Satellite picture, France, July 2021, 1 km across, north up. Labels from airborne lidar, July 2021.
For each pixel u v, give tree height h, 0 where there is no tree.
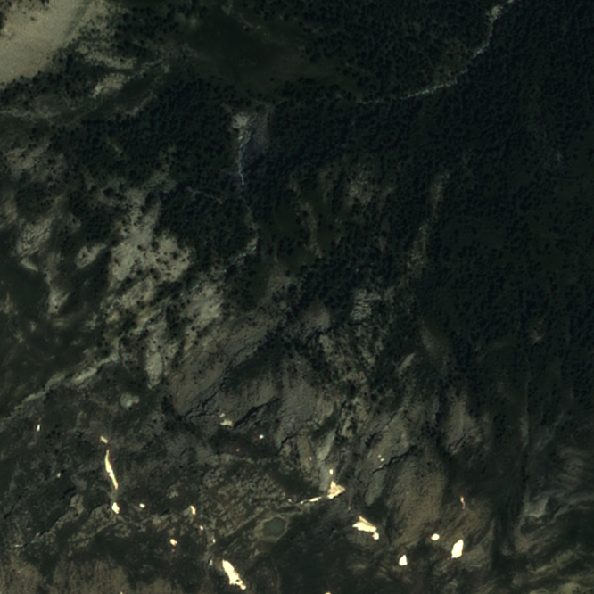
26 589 0
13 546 0
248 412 0
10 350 0
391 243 9
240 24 0
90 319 0
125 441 0
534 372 6
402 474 0
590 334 7
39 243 0
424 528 0
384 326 7
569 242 10
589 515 0
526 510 0
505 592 0
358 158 8
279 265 0
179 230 10
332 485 0
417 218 9
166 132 12
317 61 18
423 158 9
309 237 11
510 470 0
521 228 7
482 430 0
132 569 0
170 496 0
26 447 0
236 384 0
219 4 0
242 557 0
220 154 22
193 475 0
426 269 7
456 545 0
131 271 0
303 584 0
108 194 13
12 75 0
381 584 0
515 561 0
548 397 0
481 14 17
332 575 0
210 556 0
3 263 0
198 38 0
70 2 0
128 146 15
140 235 0
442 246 13
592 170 0
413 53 21
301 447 0
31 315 0
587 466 0
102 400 0
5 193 0
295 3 14
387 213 12
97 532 0
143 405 0
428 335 0
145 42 11
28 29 0
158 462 0
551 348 7
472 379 11
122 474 0
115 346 0
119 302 0
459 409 0
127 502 0
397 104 11
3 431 0
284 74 0
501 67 15
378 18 15
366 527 0
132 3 0
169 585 0
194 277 8
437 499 0
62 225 0
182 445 0
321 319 0
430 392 0
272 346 12
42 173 0
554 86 8
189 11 9
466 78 20
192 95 22
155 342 0
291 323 7
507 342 0
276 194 8
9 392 0
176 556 0
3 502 0
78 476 0
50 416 0
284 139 8
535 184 12
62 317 0
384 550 0
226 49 0
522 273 9
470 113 19
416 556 0
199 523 0
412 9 16
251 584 0
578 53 14
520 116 16
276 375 0
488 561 0
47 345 0
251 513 0
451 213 12
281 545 0
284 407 0
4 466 0
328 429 0
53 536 0
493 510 0
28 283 0
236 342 0
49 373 0
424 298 7
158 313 0
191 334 0
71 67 15
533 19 14
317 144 10
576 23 20
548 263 0
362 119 16
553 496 0
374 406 0
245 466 0
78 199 6
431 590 0
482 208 10
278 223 0
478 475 0
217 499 0
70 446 0
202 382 0
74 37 0
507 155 14
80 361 0
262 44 0
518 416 0
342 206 9
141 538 0
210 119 14
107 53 0
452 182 6
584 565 0
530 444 0
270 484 0
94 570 0
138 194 0
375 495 0
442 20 17
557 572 0
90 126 13
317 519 0
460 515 0
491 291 8
